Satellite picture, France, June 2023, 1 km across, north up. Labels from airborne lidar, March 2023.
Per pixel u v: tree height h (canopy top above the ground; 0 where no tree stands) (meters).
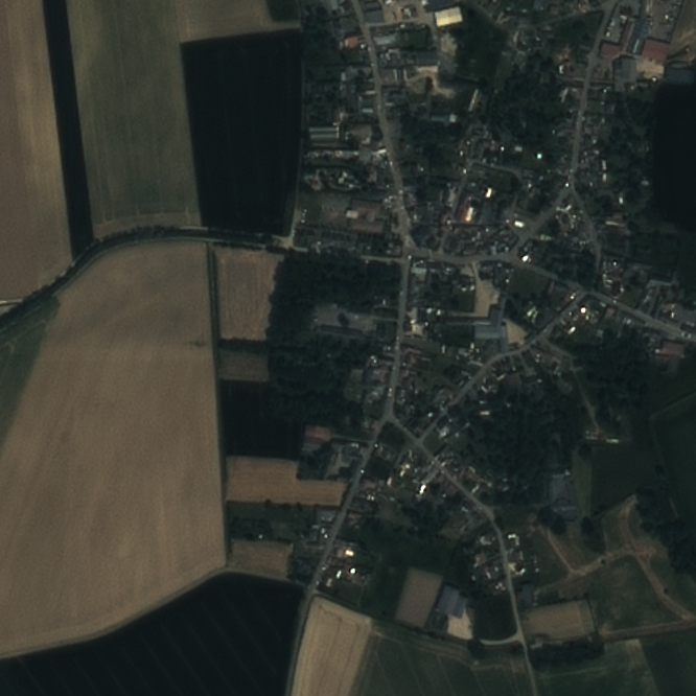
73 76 0
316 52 13
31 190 0
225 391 0
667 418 0
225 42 0
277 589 0
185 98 0
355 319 0
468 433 13
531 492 21
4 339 0
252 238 17
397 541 0
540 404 9
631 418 0
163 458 0
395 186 0
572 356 0
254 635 0
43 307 0
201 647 0
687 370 0
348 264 20
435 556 0
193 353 0
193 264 0
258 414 0
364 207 0
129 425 0
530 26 0
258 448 0
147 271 0
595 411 0
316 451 11
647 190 0
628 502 0
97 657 0
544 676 0
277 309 19
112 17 0
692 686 0
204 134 0
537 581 0
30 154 0
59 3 0
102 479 0
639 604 0
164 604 0
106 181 0
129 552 0
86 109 0
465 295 0
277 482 0
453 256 0
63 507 0
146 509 0
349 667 0
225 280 0
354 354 10
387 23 0
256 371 0
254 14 0
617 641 0
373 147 0
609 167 10
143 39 0
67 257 0
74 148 0
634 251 8
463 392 0
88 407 0
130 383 0
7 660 0
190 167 0
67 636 0
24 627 0
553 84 13
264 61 0
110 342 0
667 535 20
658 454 0
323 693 0
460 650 0
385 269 17
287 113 0
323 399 19
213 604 0
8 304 0
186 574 0
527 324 6
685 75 0
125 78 0
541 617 0
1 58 0
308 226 7
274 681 0
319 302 18
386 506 0
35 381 0
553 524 17
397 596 0
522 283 0
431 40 7
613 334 14
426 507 22
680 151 0
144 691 0
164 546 0
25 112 0
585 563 0
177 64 0
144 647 0
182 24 0
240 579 0
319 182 0
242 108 0
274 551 0
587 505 0
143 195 0
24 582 0
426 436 0
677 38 0
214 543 0
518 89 14
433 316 0
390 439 0
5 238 0
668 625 0
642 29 0
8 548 0
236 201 0
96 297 0
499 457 14
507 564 0
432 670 0
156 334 0
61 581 0
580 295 0
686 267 0
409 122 19
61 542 0
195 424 0
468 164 0
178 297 0
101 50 0
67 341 0
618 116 9
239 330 0
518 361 6
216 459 0
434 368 0
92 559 0
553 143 0
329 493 0
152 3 0
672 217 0
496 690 0
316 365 5
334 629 0
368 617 0
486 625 0
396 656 0
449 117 0
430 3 0
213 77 0
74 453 0
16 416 0
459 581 0
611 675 0
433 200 0
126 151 0
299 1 0
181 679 0
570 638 0
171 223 0
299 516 0
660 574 0
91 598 0
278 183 0
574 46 6
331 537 0
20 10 0
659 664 0
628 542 0
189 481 0
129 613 0
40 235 0
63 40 0
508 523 0
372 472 0
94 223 0
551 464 13
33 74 0
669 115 0
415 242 0
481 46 0
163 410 0
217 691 0
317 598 0
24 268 0
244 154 0
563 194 0
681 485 0
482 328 0
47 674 0
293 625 0
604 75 0
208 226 0
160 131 0
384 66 0
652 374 0
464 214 0
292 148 0
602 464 0
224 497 0
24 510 0
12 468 0
